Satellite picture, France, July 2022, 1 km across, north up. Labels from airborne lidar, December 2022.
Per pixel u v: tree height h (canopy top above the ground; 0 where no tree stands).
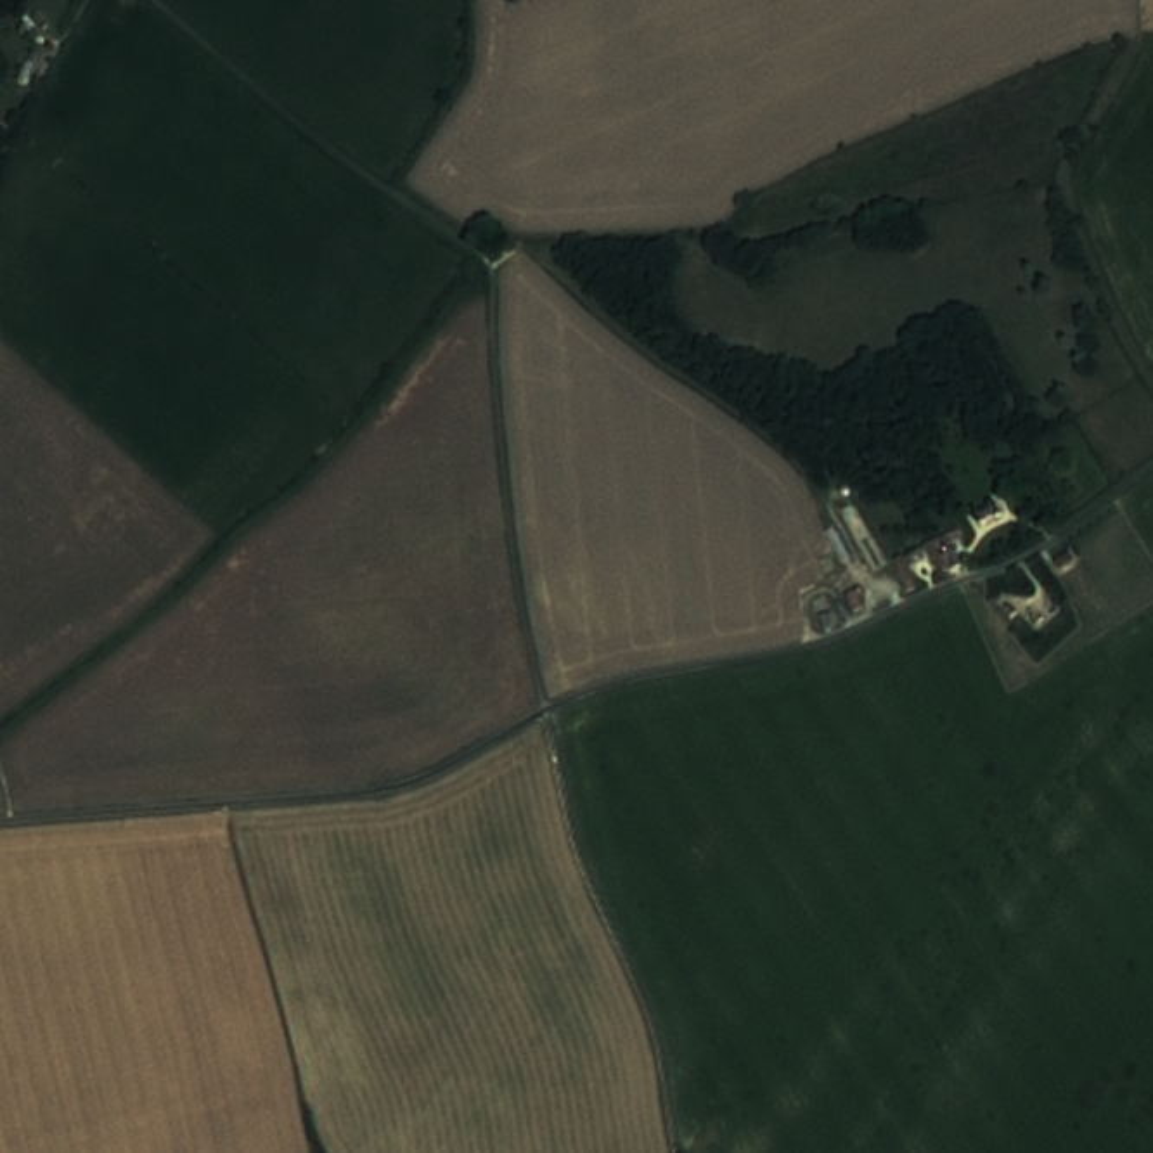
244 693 0
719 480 0
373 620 0
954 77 0
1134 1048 0
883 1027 0
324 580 0
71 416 0
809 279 0
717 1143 0
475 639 0
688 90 0
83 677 0
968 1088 0
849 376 19
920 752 0
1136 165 0
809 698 0
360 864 0
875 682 0
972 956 0
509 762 0
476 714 0
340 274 0
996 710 0
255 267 0
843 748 0
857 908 0
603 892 0
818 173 0
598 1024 0
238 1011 0
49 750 0
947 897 0
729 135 0
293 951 0
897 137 0
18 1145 0
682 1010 0
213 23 0
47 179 0
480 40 0
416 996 0
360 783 0
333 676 0
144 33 0
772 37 0
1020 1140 0
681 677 0
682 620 0
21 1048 0
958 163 0
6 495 0
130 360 0
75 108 0
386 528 0
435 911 0
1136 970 0
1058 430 11
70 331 0
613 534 0
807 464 8
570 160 0
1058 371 0
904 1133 0
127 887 0
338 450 0
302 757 0
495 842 0
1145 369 0
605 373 0
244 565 0
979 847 0
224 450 0
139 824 0
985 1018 0
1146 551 0
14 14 6
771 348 0
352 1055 0
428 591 0
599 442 0
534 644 0
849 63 0
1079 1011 0
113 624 0
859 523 0
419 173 0
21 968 0
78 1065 0
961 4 0
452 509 0
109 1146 0
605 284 22
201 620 0
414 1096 0
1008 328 0
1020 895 0
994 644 0
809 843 0
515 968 0
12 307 0
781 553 0
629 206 0
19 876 0
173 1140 0
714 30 0
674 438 0
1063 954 0
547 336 0
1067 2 0
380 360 0
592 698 0
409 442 0
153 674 0
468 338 0
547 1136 0
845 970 0
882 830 0
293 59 0
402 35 0
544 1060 0
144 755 0
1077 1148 0
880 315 0
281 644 0
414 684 0
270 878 0
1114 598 0
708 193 0
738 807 0
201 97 0
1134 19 0
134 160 0
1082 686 0
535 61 0
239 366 0
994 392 18
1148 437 0
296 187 0
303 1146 0
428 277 0
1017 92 0
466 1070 0
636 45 0
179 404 0
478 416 0
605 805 0
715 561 0
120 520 0
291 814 0
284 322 0
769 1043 0
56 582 0
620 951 0
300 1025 0
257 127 0
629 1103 0
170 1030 0
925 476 16
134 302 0
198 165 0
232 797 0
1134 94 0
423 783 0
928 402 23
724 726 0
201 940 0
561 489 0
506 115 0
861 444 19
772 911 0
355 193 0
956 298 0
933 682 0
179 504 0
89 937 0
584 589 0
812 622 0
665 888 0
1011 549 13
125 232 0
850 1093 0
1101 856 0
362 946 0
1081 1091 0
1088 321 20
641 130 0
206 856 0
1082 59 0
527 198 0
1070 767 0
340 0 0
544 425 0
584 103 0
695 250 0
